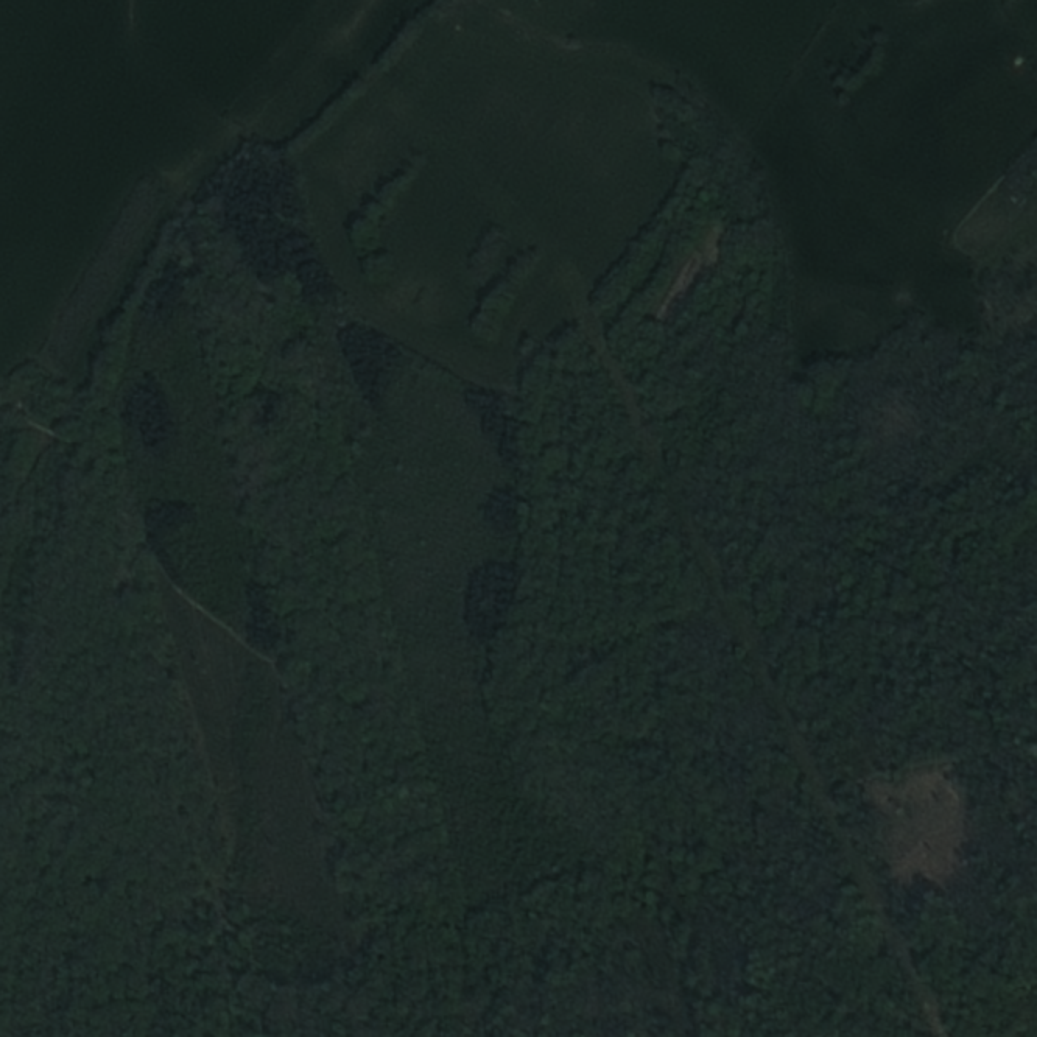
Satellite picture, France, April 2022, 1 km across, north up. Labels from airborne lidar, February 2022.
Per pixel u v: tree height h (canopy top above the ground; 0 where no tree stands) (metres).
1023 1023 23
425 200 0
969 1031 25
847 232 0
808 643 30
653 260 9
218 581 7
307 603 26
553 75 0
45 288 0
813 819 31
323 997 33
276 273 26
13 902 28
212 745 0
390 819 29
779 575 23
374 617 24
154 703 29
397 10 0
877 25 0
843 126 0
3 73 0
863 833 30
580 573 29
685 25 0
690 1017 0
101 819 28
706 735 27
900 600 23
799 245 0
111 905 30
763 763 30
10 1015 27
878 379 24
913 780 0
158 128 0
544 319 0
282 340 25
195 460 8
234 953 17
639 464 23
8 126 0
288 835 0
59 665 30
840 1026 28
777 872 29
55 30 0
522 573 24
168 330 9
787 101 0
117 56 0
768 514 24
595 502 26
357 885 26
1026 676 27
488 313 20
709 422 14
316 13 0
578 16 0
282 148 10
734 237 13
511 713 24
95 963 30
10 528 23
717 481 26
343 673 28
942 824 0
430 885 32
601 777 30
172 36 0
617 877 28
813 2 0
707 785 30
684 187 17
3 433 7
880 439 25
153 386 21
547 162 0
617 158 0
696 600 23
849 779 7
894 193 0
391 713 24
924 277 0
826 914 25
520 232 0
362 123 0
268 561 23
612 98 0
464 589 9
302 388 25
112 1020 22
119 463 20
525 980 23
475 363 0
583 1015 29
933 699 24
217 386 15
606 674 30
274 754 0
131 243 12
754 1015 21
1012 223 0
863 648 27
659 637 20
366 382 25
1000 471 18
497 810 11
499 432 22
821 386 26
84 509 24
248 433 25
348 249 0
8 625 26
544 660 27
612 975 31
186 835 30
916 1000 11
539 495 23
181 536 9
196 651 0
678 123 6
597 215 0
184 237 21
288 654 23
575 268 0
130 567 27
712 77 0
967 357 21
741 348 18
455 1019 28
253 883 9
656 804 27
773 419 23
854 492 20
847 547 26
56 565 27
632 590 28
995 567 26
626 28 0
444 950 28
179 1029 16
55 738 32
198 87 0
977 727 25
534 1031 28
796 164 0
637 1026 28
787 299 6
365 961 23
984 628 21
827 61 0
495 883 12
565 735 28
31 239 0
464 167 0
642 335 20
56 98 0
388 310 0
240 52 0
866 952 27
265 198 22
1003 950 14
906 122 0
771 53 0
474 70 0
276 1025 31
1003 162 0
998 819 25
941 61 0
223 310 31
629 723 20
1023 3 0
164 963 27
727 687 25
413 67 0
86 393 13
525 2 0
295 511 27
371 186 0
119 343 26
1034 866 29
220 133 0
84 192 0
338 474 20
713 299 16
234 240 27
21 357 0
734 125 0
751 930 29
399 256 0
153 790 29
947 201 0
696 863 24
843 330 0
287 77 0
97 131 0
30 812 27
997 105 0
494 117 0
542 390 24
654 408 18
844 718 29
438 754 11
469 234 0
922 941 21
